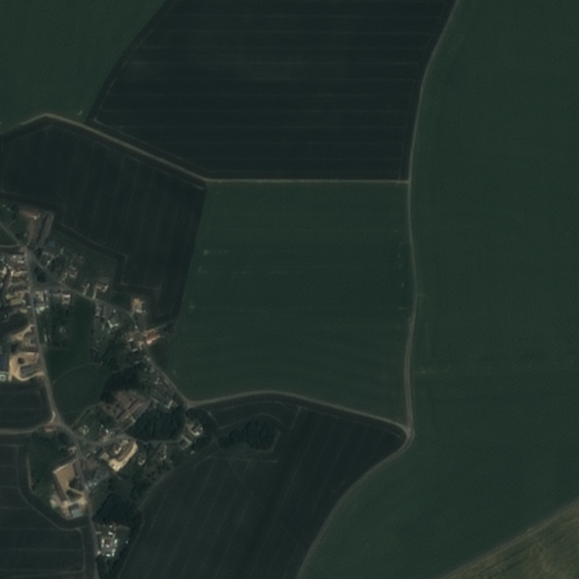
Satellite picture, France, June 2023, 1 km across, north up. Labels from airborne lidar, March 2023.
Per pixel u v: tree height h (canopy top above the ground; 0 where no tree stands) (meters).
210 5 0
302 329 0
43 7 0
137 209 0
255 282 0
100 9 0
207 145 0
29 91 0
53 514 0
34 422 0
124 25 0
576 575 0
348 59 0
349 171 0
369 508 0
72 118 0
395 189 0
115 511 17
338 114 0
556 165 0
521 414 0
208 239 0
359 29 0
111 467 0
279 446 0
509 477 0
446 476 0
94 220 0
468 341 0
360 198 0
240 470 0
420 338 0
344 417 0
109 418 8
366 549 0
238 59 0
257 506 0
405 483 0
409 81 0
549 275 0
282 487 0
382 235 0
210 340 0
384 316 0
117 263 0
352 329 0
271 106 0
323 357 0
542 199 0
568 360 0
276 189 0
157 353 0
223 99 0
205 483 0
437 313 0
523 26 0
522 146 0
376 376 0
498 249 0
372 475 0
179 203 0
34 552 0
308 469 0
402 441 0
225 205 0
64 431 0
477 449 0
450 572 0
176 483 0
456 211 0
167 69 0
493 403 0
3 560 0
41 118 0
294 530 0
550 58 0
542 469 0
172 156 0
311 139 0
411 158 0
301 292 0
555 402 0
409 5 0
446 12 0
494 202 0
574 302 0
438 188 0
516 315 0
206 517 0
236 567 0
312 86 0
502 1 0
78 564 0
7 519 0
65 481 0
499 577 0
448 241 0
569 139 0
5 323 0
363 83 0
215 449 0
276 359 0
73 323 0
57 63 0
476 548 0
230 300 0
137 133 0
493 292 0
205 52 0
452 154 0
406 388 0
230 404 0
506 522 0
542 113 0
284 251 0
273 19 0
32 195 0
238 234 0
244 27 0
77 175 0
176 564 0
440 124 0
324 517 0
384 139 0
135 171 0
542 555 0
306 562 0
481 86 0
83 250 0
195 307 0
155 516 0
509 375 0
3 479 0
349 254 0
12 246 0
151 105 0
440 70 0
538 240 0
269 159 0
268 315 0
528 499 0
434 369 0
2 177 0
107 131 0
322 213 0
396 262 0
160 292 0
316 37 0
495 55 0
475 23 0
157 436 13
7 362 0
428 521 0
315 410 0
